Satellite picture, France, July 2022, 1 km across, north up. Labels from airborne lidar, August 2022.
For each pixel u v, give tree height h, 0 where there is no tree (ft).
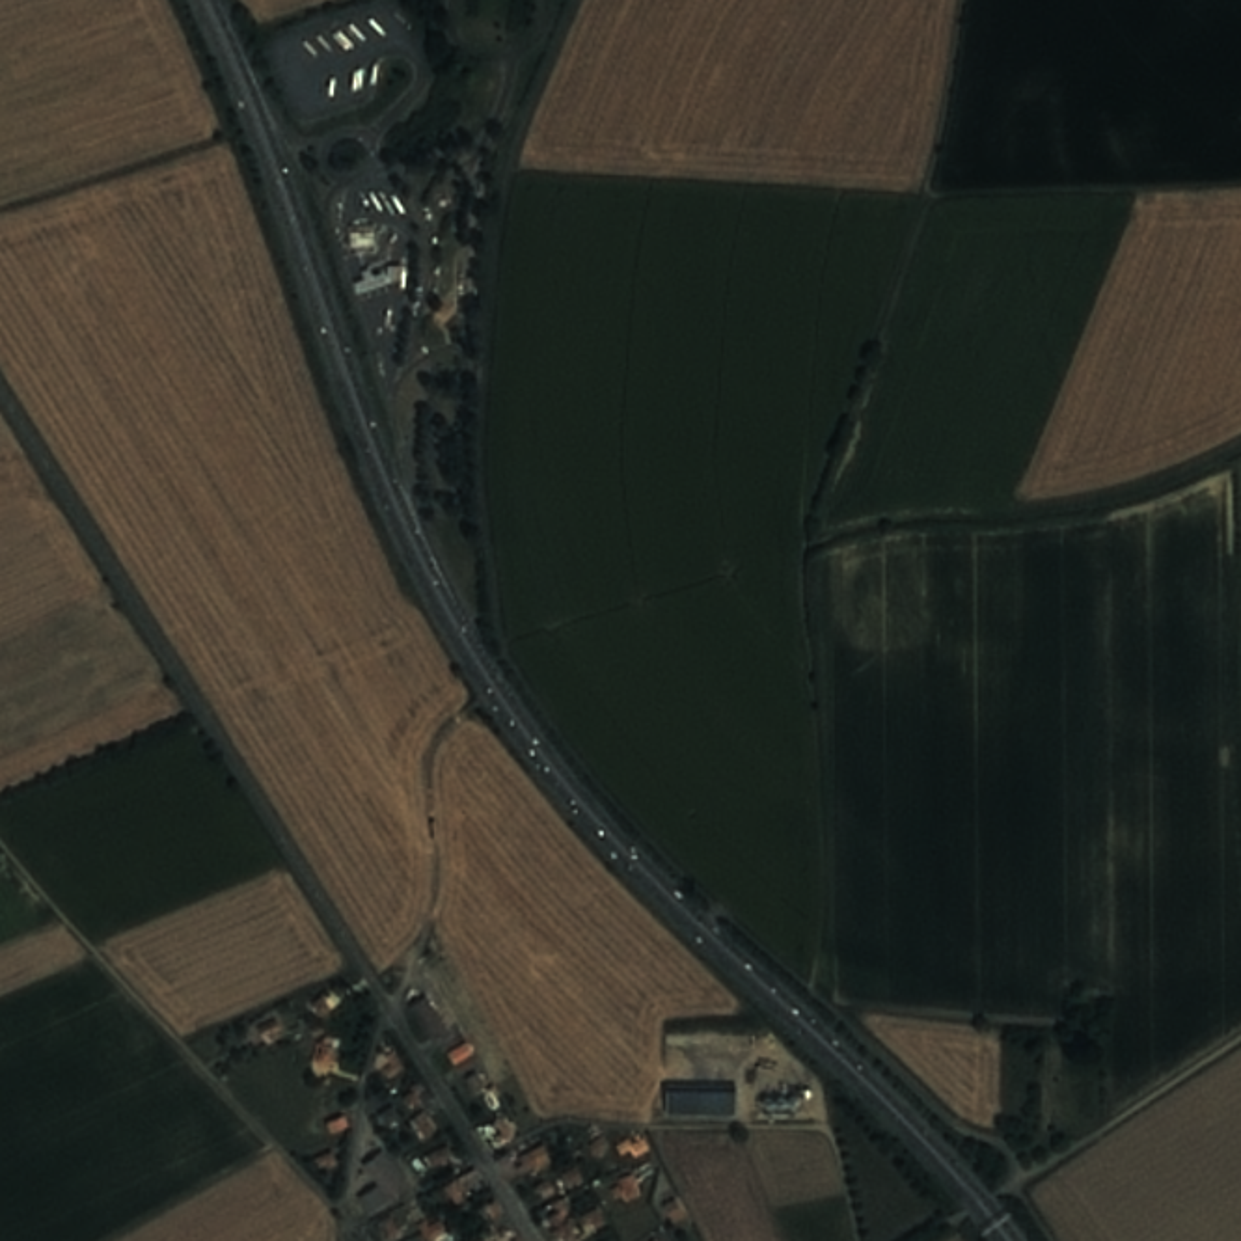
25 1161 0
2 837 0
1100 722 0
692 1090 0
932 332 0
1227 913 0
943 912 0
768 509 0
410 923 0
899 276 0
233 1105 0
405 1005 0
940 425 0
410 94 0
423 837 0
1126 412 0
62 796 0
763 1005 0
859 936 0
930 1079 0
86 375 0
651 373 0
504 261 0
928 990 0
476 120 0
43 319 0
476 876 0
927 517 0
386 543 0
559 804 0
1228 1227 0
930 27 0
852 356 0
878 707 0
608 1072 0
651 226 0
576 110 0
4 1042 0
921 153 0
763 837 0
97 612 0
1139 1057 0
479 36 0
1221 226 0
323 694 0
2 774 0
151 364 0
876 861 0
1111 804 0
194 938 0
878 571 0
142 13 0
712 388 0
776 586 0
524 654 0
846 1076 0
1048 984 0
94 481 0
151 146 0
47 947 0
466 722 0
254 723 0
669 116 0
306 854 0
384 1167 0
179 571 0
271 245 0
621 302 0
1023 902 0
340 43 0
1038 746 0
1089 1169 0
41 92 0
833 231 0
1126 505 0
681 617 0
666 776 0
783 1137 0
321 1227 0
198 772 0
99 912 0
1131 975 0
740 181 0
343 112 0
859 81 0
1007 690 0
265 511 0
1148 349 0
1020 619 0
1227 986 0
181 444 0
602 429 0
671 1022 0
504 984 0
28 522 0
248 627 0
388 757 0
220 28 0
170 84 0
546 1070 0
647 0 0
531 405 0
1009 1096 0
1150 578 0
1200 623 0
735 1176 0
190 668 0
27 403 0
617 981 0
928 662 0
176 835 0
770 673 0
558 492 0
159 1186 0
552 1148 22
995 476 0
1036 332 0
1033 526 0
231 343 0
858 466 0
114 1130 0
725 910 0
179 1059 0
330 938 0
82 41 0
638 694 0
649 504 0
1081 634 0
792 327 0
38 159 0
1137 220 0
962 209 0
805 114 0
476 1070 0
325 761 0
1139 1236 0
